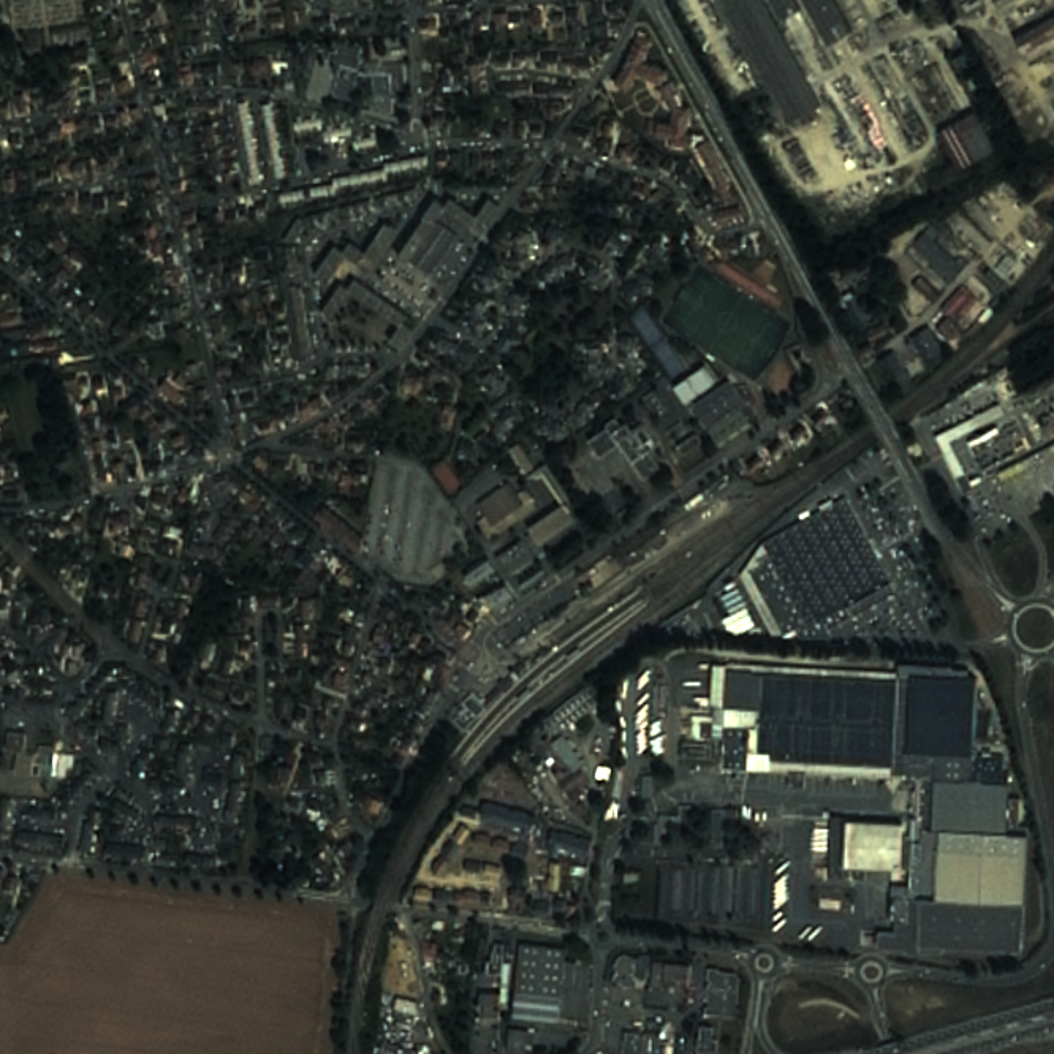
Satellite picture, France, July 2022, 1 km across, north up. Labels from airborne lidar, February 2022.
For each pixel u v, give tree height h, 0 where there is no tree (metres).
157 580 6
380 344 0
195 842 0
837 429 0
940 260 0
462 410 12
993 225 0
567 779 0
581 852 0
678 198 0
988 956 0
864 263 10
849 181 0
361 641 0
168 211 0
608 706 10
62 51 10
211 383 0
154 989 0
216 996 0
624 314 9
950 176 0
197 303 0
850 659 0
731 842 17
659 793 0
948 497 17
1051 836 0
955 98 0
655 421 13
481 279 0
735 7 0
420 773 10
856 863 0
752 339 0
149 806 0
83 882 0
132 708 0
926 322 0
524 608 0
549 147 0
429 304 0
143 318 6
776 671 0
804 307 15
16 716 0
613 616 0
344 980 9
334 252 0
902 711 0
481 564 0
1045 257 0
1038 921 0
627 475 0
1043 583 0
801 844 0
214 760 0
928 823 0
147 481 0
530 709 0
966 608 0
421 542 0
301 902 6
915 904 0
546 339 10
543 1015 0
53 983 0
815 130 0
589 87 0
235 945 0
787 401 13
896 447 0
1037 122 0
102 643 0
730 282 0
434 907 6
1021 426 0
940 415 0
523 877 16
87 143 6
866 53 0
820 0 0
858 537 0
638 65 0
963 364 0
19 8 0
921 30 0
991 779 0
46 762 0
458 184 15
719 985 0
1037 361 9
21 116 0
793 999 0
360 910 0
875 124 0
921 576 8
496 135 11
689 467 0
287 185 9
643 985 0
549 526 0
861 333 9
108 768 0
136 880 7
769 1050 0
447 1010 0
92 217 0
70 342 0
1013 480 0
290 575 6
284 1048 0
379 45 12
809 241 14
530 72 0
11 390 10
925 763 0
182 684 15
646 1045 0
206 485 0
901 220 10
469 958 6
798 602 0
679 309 0
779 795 0
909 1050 0
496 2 0
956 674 0
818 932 0
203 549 0
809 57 0
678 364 0
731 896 0
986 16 0
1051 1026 0
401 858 0
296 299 0
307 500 18
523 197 7
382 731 8
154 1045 0
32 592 12
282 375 0
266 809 13
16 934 0
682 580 0
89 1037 0
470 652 0
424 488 0
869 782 0
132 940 0
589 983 0
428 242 0
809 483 0
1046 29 0
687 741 0
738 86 0
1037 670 0
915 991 0
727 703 0
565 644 0
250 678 9
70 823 0
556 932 0
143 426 7
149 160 0
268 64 0
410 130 0
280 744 15
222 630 12
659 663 0
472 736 0
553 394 12
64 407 17
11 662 14
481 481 0
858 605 0
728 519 0
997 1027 0
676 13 15
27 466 9
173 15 0
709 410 0
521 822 0
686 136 0
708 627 0
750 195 0
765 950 0
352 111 10
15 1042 0
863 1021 0
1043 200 0
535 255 0
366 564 0
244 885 0
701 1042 0
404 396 0
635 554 0
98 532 6
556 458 16
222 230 8
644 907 0
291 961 0
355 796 11
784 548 0
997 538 7
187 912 0
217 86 0
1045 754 0
